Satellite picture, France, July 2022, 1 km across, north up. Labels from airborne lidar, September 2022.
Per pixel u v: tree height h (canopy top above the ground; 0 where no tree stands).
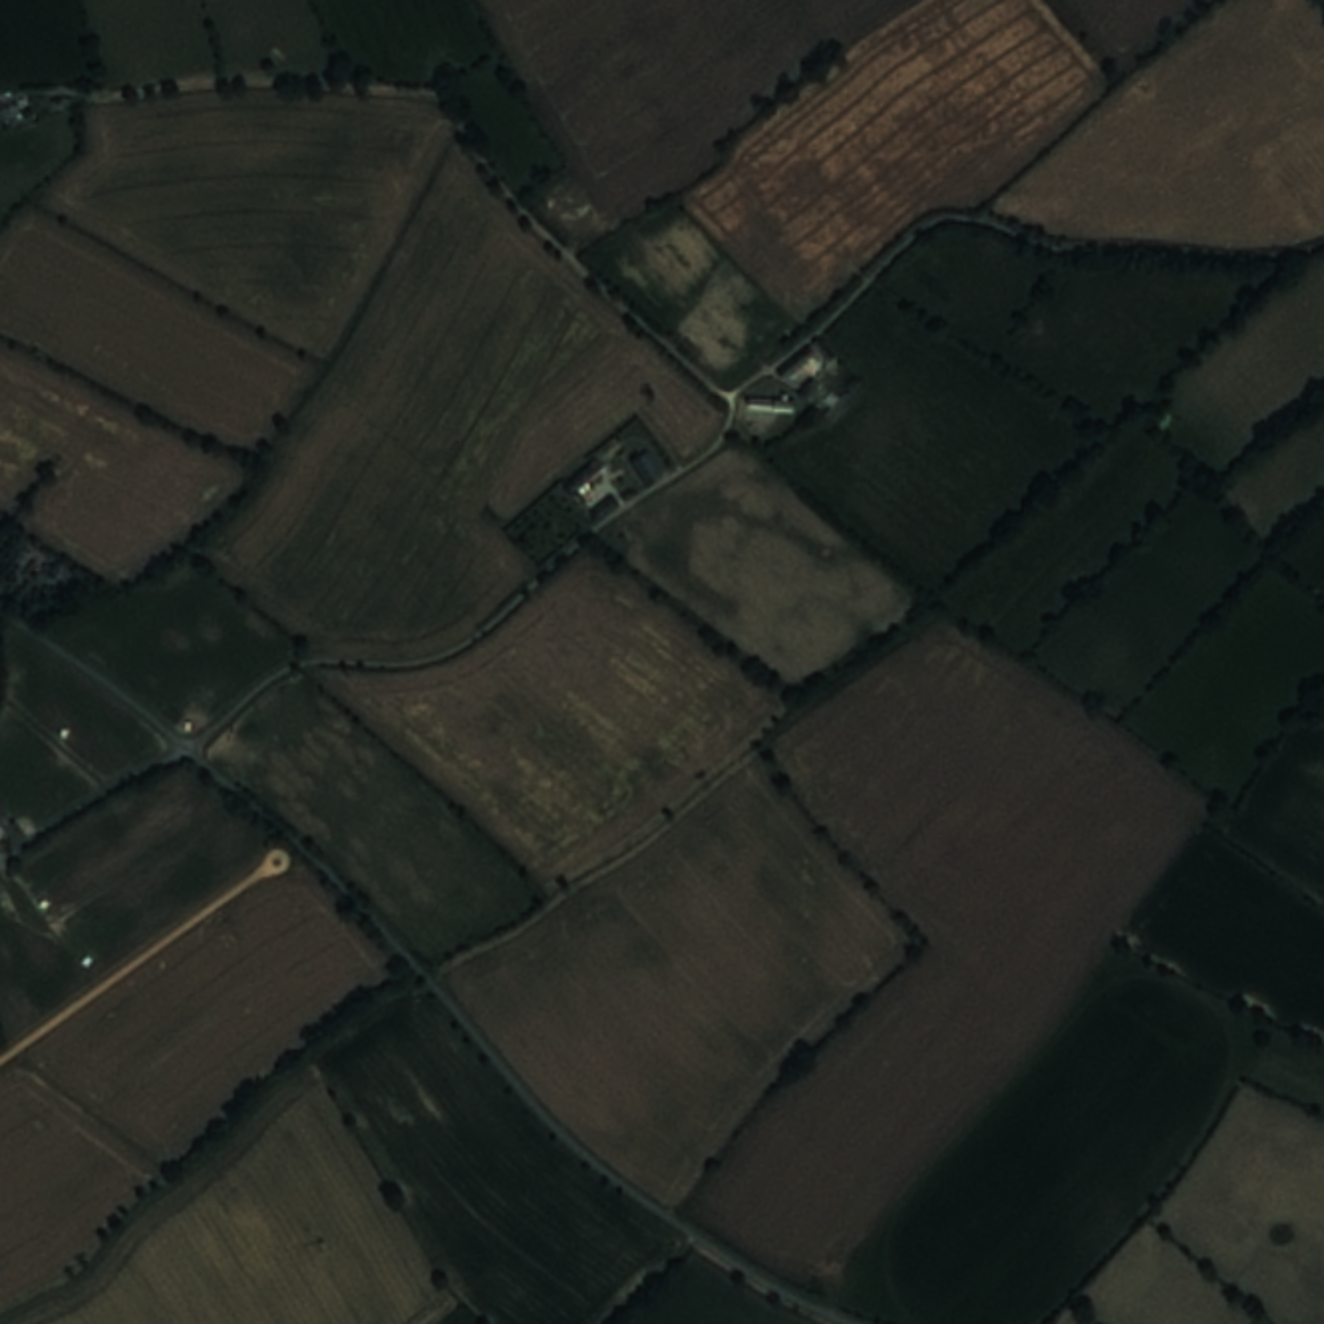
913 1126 0
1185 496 6
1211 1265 11
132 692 0
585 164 0
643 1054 0
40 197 0
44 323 0
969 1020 0
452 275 0
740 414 0
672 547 0
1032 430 0
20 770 0
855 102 0
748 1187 0
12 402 0
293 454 0
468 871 0
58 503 0
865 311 0
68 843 0
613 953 0
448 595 0
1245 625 0
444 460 0
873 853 0
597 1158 0
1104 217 0
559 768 0
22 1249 0
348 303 0
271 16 0
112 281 0
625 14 0
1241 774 0
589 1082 0
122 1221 14
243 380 0
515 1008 0
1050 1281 0
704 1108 0
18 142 0
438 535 0
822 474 0
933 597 6
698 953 0
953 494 0
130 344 0
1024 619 0
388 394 0
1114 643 0
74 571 10
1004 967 0
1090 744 0
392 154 0
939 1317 0
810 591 0
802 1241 0
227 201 0
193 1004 0
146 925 0
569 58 0
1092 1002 0
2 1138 0
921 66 0
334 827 0
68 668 0
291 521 0
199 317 0
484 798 0
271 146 0
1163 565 0
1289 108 0
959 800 0
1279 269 17
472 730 0
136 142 0
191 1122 0
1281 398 0
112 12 0
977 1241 0
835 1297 0
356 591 0
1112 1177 0
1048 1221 0
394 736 0
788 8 0
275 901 0
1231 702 0
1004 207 0
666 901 0
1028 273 0
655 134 0
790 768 0
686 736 0
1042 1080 0
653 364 0
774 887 0
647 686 0
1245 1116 0
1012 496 0
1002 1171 0
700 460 0
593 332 0
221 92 13
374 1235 0
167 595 0
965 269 0
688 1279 0
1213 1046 0
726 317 0
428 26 0
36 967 0
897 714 0
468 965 0
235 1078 0
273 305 0
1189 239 0
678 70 0
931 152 0
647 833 0
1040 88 0
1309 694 18
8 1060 0
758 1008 0
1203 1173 0
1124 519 0
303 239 0
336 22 0
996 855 0
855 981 0
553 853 0
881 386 0
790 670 0
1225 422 0
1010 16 0
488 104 0
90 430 0
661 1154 0
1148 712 0
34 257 0
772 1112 0
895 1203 0
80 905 0
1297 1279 0
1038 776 0
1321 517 14
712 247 0
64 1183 0
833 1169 0
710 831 0
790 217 0
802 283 0
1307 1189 0
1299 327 0
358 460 0
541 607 0
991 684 0
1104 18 0
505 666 0
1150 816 0
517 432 0
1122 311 0
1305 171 0
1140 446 0
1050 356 0
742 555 0
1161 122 0
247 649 0
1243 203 0
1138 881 0
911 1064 0
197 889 0
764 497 0
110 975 0
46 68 0
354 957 0
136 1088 0
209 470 0
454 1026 9
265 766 0
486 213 0
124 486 0
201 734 0
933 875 0
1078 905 0
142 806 0
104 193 0
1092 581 7
